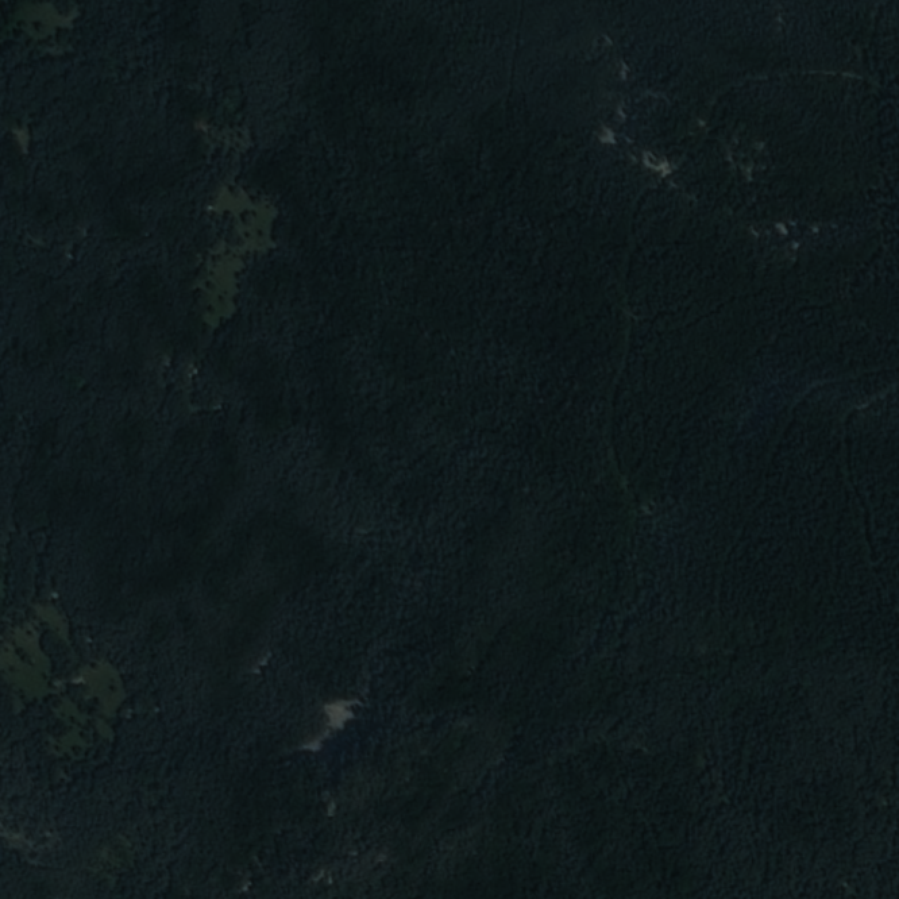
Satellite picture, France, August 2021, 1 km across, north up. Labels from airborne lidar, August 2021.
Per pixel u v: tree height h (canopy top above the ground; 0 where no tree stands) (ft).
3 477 54
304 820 59
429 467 57
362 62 49
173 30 61
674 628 43
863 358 49
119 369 58
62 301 48
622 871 38
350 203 46
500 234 48
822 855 52
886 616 61
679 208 32
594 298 49
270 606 41
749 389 33
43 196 50
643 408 51
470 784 40
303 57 49
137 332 51
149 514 46
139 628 51
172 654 53
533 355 41
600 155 32
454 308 39
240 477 58
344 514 30
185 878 46
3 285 49
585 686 60
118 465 50
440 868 38
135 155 50
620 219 47
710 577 40
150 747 54
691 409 51
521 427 41
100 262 52
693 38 26
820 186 33
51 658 49
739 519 43
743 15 27
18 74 58
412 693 52
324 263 58
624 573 47
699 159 26
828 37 27
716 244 39
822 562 52
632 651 51
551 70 31
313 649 39
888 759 49
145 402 55
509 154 49
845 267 59
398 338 43
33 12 0
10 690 52
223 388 52
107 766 45
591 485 47
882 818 53
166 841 46
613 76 20
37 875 50
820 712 44
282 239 47
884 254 77
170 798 31
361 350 52
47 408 64
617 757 23
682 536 25
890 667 47
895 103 67
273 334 50
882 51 63
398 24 47
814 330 60
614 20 28
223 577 42
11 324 52
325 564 43
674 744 49
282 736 39
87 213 52
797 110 31
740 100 27
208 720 40
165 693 54
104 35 52
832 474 57
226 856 57
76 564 49
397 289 47
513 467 49
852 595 52
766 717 50
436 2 45
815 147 29
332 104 64
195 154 58
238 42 28
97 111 33
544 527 40
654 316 49
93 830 39
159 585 47
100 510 57
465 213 39
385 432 58
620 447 43
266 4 47
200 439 40
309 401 54
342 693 26
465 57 33
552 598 56
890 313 45
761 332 50
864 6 30
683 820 53
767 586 54
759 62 38
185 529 51
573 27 28
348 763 32
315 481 54
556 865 33
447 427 48
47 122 53
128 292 56
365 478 49
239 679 38
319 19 53
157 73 48
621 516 46
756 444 41
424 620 45
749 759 54
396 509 37
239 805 51
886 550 56
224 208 0
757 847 54
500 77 21
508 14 37
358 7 48
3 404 48
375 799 27
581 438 45
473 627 36
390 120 31
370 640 29
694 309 45
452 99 26
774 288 67
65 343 57
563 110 31
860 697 38
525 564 47
